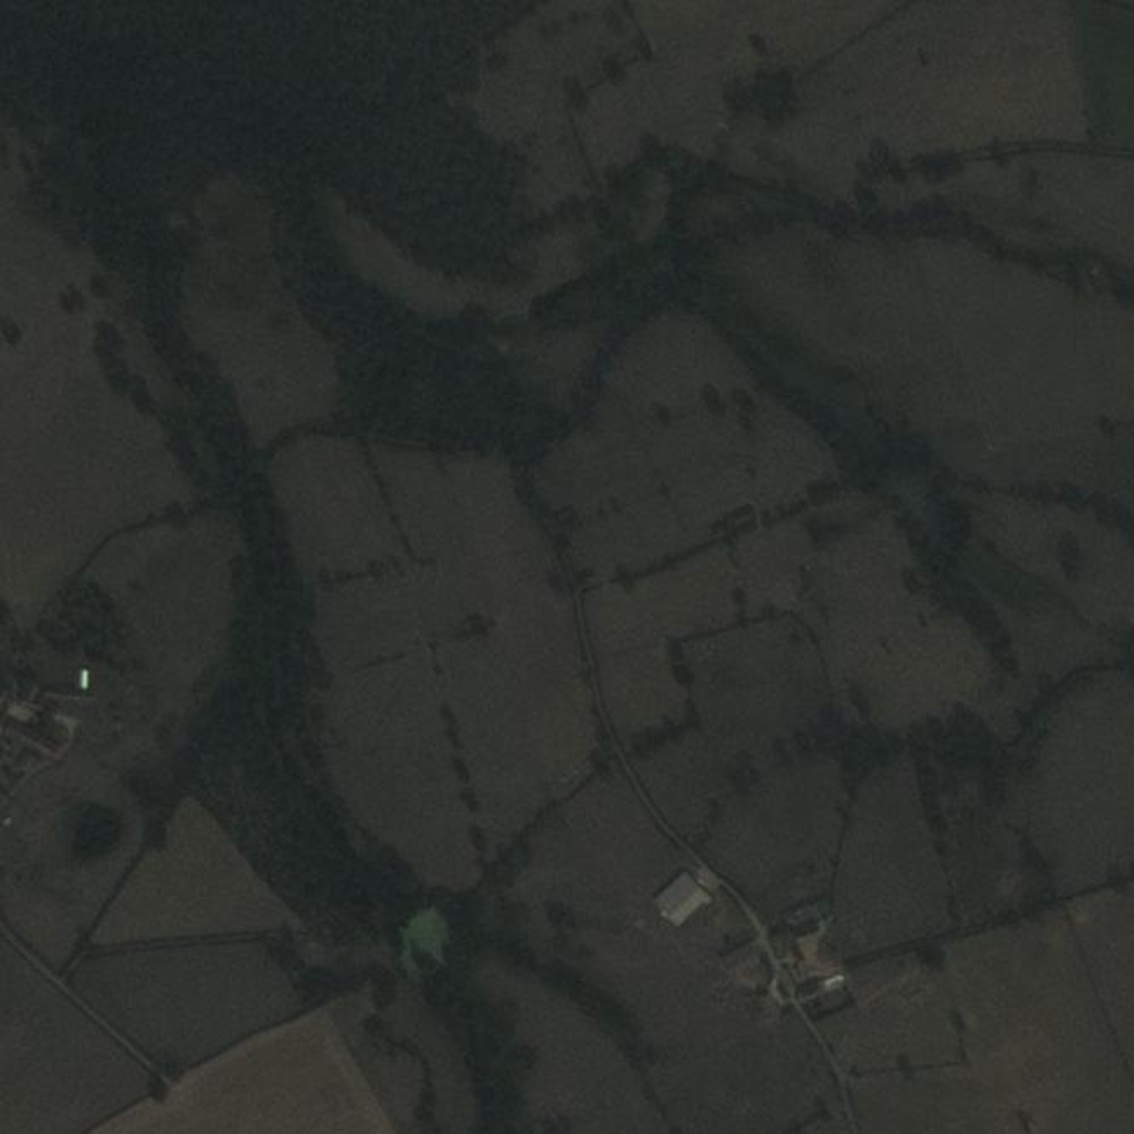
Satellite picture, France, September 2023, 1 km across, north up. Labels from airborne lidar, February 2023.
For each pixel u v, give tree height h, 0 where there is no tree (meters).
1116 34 0
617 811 0
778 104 20
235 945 0
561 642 0
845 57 0
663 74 0
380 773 0
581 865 0
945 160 12
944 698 0
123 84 29
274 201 19
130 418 0
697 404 0
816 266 0
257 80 21
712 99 0
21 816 0
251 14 22
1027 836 0
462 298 0
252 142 26
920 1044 0
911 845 0
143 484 0
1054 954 0
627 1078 0
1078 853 0
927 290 0
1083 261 0
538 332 0
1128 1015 0
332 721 0
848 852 0
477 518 0
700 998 0
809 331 0
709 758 0
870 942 0
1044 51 0
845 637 0
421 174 19
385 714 0
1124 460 0
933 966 8
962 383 0
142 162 19
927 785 14
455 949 7
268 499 11
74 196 0
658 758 0
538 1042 0
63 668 0
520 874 0
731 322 0
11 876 0
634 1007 0
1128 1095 0
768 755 0
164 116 21
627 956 0
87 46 29
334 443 0
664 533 0
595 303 0
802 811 0
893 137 0
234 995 0
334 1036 0
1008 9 0
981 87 0
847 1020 0
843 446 24
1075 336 0
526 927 0
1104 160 0
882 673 0
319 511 0
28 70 26
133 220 19
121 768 0
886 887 0
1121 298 14
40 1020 0
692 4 0
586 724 0
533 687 0
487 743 0
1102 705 0
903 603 0
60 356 0
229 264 0
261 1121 0
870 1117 0
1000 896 0
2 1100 0
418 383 0
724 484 0
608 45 0
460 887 0
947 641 0
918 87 0
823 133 0
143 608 0
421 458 0
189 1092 0
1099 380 0
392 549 0
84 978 0
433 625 0
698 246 7
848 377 0
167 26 20
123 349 0
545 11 0
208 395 24
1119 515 10
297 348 0
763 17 0
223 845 0
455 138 19
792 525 0
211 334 0
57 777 0
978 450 0
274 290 0
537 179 0
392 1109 0
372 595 0
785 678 0
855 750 18
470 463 0
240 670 0
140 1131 0
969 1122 0
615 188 10
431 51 21
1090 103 0
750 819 0
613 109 0
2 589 0
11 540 0
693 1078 0
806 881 0
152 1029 0
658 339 0
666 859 0
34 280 0
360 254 0
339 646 0
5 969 0
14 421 0
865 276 0
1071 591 0
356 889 14
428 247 22
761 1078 0
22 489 0
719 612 0
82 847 7
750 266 0
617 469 0
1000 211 0
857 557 0
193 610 0
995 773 18
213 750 19
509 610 0
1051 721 0
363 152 13
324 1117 0
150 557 0
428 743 0
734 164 0
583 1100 0
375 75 22
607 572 0
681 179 6
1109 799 0
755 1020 0
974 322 0
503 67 0
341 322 20
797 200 16
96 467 0
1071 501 19
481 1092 8
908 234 16
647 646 0
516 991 0
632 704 0
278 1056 0
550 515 11
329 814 16
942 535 9
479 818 0
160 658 0
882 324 0
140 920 0
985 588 0
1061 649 0
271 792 17
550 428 15
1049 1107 0
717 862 0
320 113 19
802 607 0
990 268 0
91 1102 0
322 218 0
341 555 0
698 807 0
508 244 14
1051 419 0
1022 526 0
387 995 19
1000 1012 0
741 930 0
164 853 0
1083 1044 0
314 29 18
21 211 0
